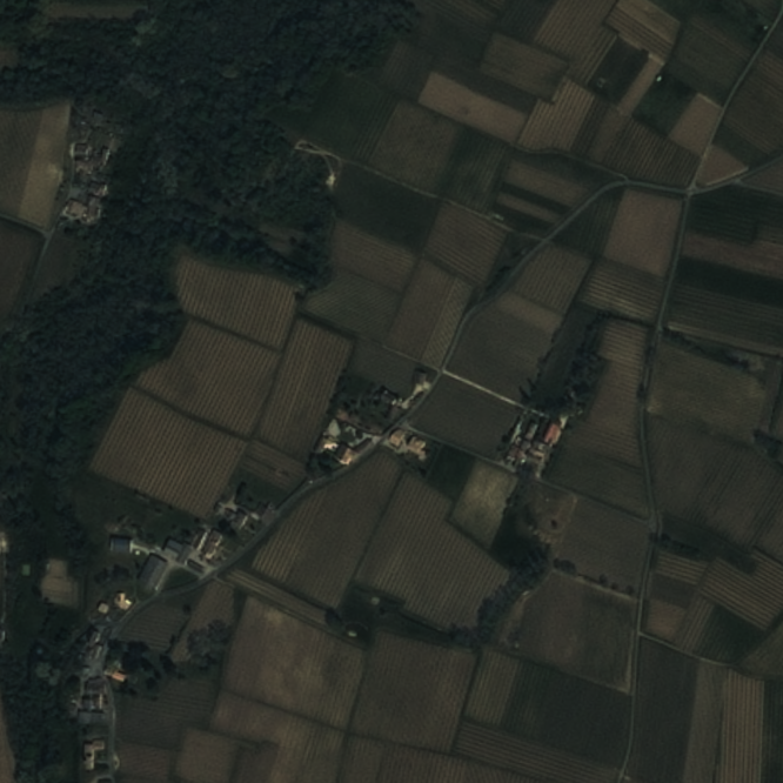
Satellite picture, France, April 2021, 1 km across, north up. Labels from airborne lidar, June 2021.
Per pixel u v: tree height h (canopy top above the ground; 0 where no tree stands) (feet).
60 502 68
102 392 51
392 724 0
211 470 0
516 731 0
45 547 27
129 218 58
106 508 0
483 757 0
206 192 37
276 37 74
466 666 0
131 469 0
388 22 67
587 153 0
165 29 73
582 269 0
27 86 59
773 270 0
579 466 0
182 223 36
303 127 0
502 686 0
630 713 0
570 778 0
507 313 0
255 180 40
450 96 0
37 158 0
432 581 0
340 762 0
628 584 0
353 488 0
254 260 49
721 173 0
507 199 0
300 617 0
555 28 0
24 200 0
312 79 83
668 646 0
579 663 0
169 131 64
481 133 0
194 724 0
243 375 0
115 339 72
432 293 0
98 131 26
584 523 0
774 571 0
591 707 0
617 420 0
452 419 0
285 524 0
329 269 46
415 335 0
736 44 0
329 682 0
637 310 0
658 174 0
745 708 0
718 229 0
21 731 56
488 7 0
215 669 45
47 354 68
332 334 0
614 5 0
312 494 0
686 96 0
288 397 0
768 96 0
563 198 0
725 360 0
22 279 0
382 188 0
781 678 0
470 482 0
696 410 0
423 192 0
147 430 0
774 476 0
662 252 0
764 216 0
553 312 0
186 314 30
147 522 0
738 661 0
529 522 0
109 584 49
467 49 0
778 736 0
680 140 0
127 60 53
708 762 0
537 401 0
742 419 0
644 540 0
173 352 0
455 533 0
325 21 72
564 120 0
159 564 0
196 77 54
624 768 0
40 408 87
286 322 0
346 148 0
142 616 0
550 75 0
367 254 0
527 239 0
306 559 0
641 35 0
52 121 0
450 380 0
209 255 52
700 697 0
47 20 87
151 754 0
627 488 0
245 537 0
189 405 0
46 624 24
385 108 0
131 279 82
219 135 62
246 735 0
